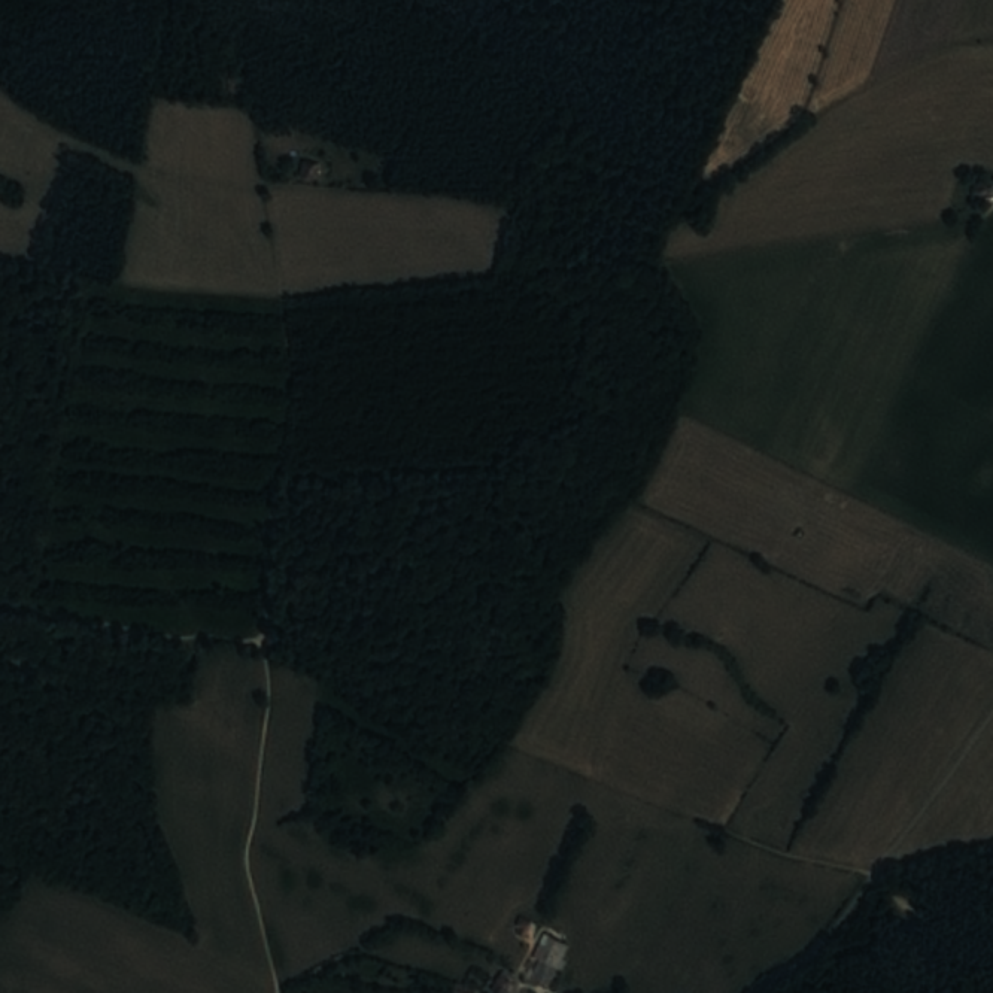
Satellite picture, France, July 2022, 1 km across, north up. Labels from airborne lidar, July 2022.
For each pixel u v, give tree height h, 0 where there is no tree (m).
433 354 15
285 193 0
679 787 0
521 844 0
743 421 0
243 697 0
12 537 24
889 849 0
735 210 0
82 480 10
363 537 27
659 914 0
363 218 0
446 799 15
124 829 22
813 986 24
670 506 0
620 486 22
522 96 21
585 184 18
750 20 23
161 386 11
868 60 0
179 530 9
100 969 0
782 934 0
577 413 11
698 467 0
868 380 0
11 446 19
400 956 0
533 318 14
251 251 0
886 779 0
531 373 14
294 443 12
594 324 22
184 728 0
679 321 24
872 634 0
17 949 0
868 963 26
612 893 0
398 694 23
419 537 23
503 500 23
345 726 17
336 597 20
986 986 24
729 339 0
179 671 23
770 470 0
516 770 0
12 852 24
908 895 8
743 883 0
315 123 17
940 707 0
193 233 0
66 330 20
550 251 21
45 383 23
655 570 0
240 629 0
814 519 0
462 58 17
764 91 0
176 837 0
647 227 18
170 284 0
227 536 10
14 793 23
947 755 0
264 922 0
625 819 0
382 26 18
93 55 22
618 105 22
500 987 0
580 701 0
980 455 0
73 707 16
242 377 0
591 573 0
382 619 30
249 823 0
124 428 8
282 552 23
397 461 10
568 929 0
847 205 0
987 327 0
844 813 0
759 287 0
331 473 11
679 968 0
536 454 22
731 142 0
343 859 0
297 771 0
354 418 13
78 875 20
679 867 0
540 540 22
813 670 0
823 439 0
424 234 0
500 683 23
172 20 15
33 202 0
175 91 11
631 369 22
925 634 0
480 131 20
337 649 20
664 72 23
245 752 0
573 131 24
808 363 0
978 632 0
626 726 0
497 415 11
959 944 25
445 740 17
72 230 20
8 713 25
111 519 12
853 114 0
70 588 7
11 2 21
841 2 12
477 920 0
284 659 18
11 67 21
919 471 0
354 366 12
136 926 0
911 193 0
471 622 21
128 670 20
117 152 19
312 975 10
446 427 12
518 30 27
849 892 0
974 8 0
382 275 0
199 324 13
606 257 17
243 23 14
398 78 18
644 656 0
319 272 0
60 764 23
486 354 14
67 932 0
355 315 13
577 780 0
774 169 0
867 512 0
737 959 0
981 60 0
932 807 0
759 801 0
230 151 0
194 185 0
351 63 15
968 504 0
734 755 0
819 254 0
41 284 24
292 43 16
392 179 17
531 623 19
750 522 0
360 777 0
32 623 21
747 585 0
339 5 22
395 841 8
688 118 25
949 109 0
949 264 0
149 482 9
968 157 0
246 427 10
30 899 0
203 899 0
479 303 15
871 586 0
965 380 0
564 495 18
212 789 0
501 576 16
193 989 0
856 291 0
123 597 7
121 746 20
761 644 0
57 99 20
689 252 0
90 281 17
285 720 0
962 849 19
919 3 0
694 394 0
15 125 0
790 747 0
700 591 0
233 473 11
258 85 17
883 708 0
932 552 0
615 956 0
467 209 0
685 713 0
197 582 0
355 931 0
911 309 0
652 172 29
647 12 16
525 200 15
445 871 0
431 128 20
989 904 24
